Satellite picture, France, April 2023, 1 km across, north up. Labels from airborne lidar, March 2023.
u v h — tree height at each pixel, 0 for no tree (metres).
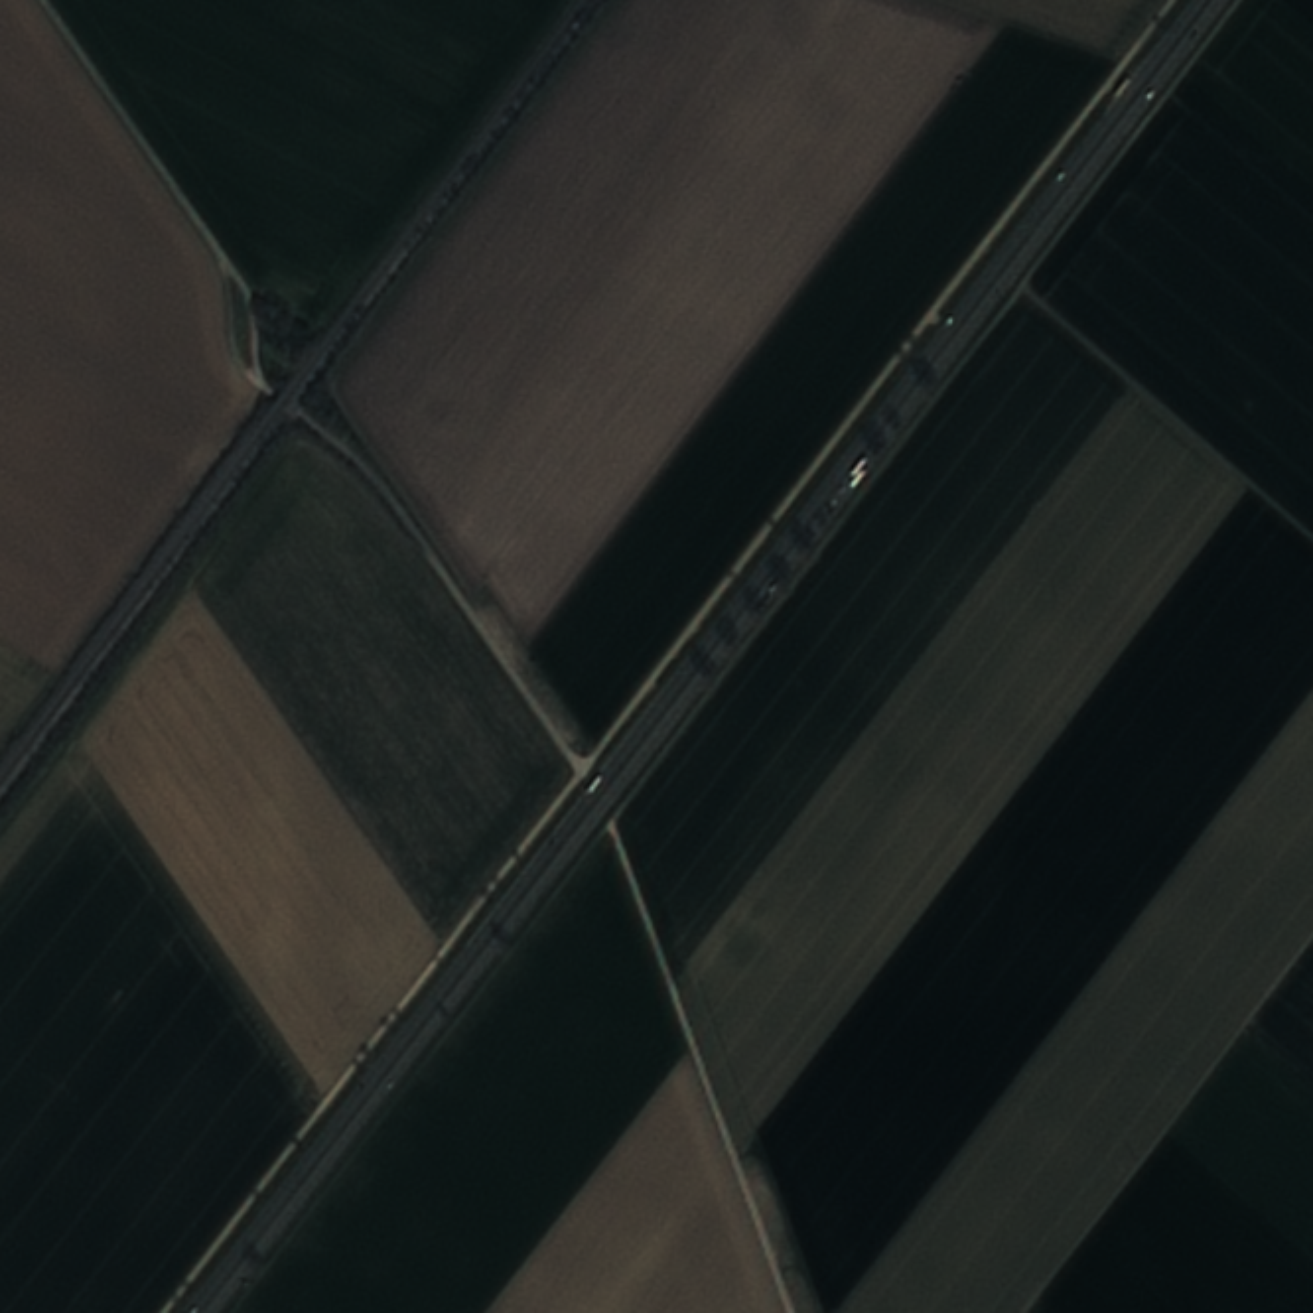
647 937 0
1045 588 0
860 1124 0
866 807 0
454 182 0
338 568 0
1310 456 0
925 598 0
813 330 0
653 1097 0
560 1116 0
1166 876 0
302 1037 0
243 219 0
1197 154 0
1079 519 0
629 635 0
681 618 0
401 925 0
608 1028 0
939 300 0
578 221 0
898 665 0
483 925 0
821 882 0
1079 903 0
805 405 0
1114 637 0
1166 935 0
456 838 0
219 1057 0
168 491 0
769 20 0
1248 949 0
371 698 0
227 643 0
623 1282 0
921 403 0
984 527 0
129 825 0
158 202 0
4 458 0
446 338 0
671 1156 0
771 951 0
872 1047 0
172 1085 0
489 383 0
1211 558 0
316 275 0
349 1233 0
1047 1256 0
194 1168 0
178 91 0
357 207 0
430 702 0
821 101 0
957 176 0
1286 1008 0
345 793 0
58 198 0
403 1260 0
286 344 13
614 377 0
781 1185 0
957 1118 0
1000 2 0
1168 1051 0
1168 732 0
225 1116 0
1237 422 0
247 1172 0
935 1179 0
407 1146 0
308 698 0
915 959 0
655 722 0
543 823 0
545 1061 0
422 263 0
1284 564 0
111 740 0
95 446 0
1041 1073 0
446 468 0
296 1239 0
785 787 0
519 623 0
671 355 0
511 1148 0
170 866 0
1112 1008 0
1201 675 0
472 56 0
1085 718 0
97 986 0
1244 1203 0
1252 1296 0
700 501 0
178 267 0
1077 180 0
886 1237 0
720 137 0
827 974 0
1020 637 0
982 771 0
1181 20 0
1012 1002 0
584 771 0
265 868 0
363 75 0
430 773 0
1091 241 0
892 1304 0
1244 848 0
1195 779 0
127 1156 0
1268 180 0
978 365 0
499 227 0
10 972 0
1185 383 0
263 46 0
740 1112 0
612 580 0
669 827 0
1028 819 0
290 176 0
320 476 0
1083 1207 0
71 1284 0
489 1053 0
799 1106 0
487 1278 0
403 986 0
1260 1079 0
